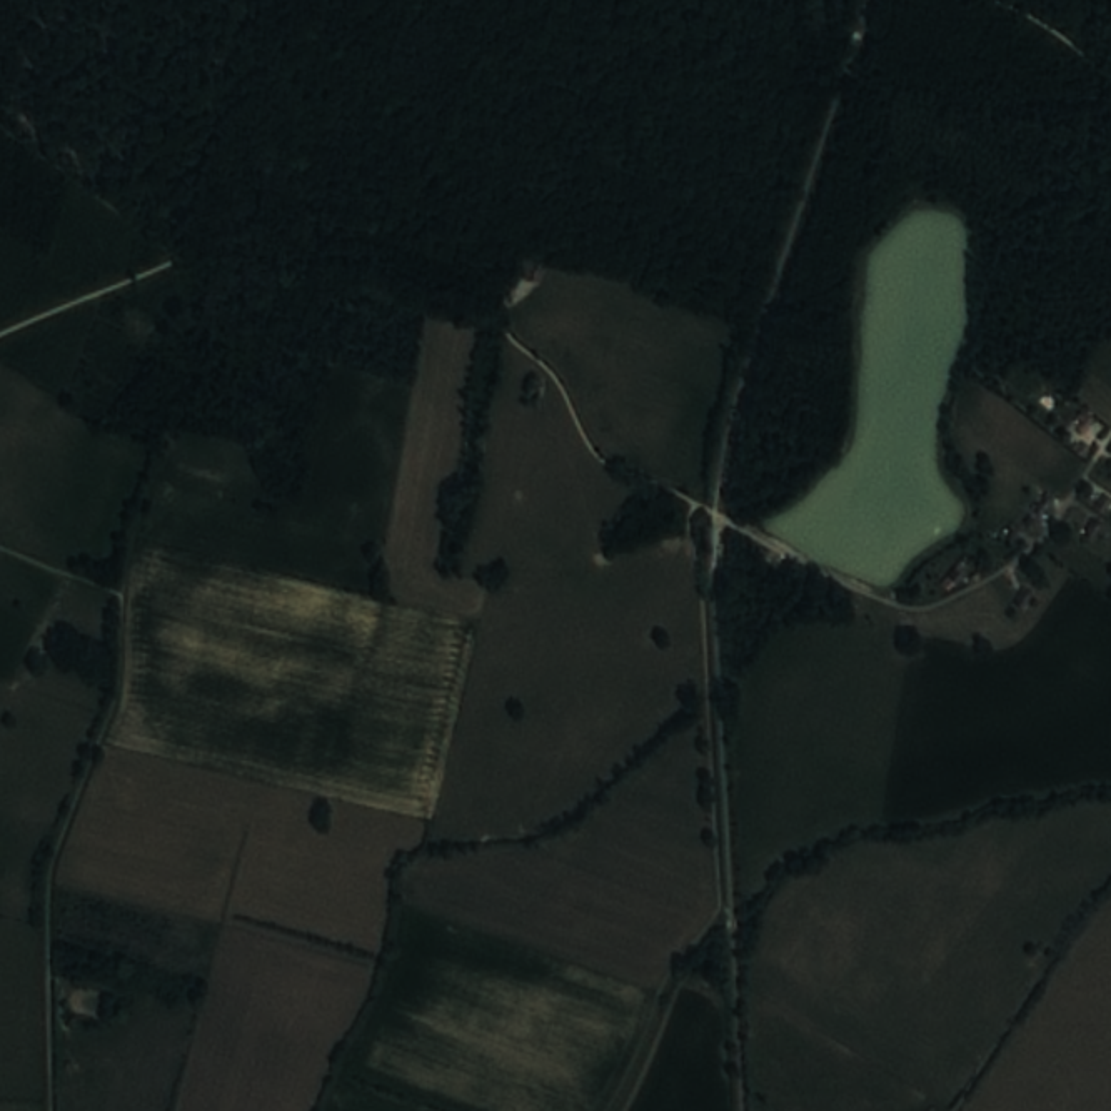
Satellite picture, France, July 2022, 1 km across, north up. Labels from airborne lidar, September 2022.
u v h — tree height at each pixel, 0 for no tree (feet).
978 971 0
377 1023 0
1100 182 76
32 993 0
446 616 0
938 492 0
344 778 0
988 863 0
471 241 73
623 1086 0
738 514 61
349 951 31
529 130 75
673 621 0
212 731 0
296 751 0
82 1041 0
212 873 0
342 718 0
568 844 0
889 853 0
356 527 0
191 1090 0
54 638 39
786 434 77
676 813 0
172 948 0
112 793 0
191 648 0
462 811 0
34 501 0
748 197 68
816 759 0
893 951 0
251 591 0
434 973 0
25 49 61
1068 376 65
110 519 0
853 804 0
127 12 66
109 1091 0
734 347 19
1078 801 22
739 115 71
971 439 0
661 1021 0
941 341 0
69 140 71
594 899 0
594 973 0
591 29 68
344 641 0
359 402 0
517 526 0
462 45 73
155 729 0
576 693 0
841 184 39
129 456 0
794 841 0
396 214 93
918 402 0
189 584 0
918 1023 0
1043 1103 0
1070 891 0
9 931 0
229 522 0
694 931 0
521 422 0
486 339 52
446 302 45
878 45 69
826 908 0
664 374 0
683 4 68
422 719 0
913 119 89
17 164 43
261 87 77
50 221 50
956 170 66
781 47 74
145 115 80
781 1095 0
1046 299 54
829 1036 0
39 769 0
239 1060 0
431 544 0
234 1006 0
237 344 28
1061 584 0
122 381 0
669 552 0
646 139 66
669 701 0
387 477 0
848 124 52
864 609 0
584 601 0
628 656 0
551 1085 0
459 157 81
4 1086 0
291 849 0
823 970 0
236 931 0
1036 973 0
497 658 0
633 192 70
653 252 66
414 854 30
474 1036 0
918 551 0
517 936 0
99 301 0
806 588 62
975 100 59
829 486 0
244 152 75
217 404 22
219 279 71
